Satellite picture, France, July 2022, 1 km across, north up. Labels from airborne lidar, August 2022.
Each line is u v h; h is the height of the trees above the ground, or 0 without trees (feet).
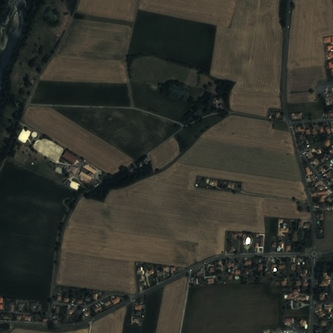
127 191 0
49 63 0
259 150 0
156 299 0
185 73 0
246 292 0
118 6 0
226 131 0
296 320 23
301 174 0
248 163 0
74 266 0
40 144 0
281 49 0
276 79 0
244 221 0
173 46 0
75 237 0
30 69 0
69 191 0
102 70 0
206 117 0
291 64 0
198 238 0
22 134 0
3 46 0
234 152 0
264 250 0
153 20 0
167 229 0
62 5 0
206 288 0
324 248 0
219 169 0
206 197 0
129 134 0
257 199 0
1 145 0
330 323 23
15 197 0
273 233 0
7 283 0
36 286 0
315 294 52
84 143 0
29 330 0
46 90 0
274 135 0
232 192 27
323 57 0
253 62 0
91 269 0
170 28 0
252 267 24
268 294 0
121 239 0
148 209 0
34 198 0
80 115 0
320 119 0
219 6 0
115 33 0
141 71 0
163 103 0
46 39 0
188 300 0
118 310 0
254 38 0
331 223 0
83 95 0
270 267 0
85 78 0
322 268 30
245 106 0
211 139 0
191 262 0
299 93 0
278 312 0
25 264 0
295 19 0
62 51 0
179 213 0
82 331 0
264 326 0
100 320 0
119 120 0
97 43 0
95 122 0
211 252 0
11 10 0
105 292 0
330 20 0
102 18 0
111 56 0
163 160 0
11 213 0
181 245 0
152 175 0
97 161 0
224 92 35
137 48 0
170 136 0
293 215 0
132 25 0
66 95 0
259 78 0
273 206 0
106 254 0
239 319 0
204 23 0
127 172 44
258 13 0
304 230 25
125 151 0
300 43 0
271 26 0
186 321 0
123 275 0
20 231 0
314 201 0
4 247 0
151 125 0
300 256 24
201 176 0
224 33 0
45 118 0
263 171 0
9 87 47
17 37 0
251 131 0
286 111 0
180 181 0
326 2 0
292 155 0
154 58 0
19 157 0
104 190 59
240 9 0
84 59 0
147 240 0
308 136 17
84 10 0
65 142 0
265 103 0
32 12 25
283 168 0
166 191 0
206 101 45
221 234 0
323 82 0
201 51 0
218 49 0
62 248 0
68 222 0
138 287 0
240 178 0
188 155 0
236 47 0
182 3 0
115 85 0
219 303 0
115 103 0
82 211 0
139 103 0
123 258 0
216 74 0
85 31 0
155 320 0
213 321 0
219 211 0
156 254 0
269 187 0
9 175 0
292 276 23
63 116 0
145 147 0
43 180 0
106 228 0
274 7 0
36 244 0
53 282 0
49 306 0
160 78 0
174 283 0
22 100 0
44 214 0
